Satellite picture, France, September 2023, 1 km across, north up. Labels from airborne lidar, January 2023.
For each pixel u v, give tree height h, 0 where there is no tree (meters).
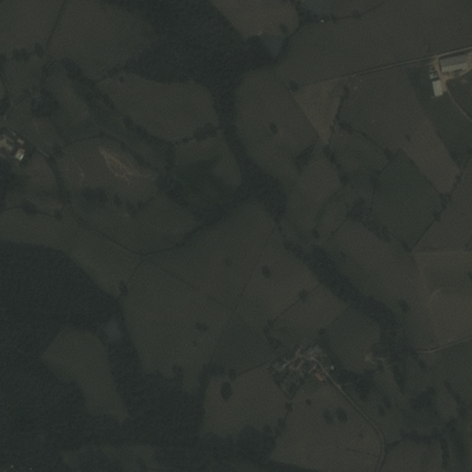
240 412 0
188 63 21
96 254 0
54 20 0
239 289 0
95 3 0
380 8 0
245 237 0
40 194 0
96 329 18
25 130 0
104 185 0
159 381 10
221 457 14
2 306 17
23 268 20
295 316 0
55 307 15
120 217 0
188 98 0
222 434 0
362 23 0
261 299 0
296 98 0
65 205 0
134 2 6
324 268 20
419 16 0
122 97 0
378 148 0
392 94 0
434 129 0
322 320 0
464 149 0
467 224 0
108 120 0
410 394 0
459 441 0
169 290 0
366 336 0
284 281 0
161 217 0
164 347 0
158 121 0
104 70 0
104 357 0
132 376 9
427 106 0
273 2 0
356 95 0
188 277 0
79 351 0
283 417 0
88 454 0
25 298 15
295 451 0
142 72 13
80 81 8
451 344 0
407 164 0
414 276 0
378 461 0
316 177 0
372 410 0
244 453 17
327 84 0
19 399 12
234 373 14
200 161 0
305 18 11
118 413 0
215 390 0
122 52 0
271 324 12
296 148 0
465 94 0
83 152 0
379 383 0
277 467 16
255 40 13
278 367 0
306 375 6
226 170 0
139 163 17
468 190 0
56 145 0
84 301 14
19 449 7
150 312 0
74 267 11
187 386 0
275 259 0
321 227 0
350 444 0
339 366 0
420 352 0
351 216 12
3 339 13
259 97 0
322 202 0
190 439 13
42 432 6
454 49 0
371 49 0
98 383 0
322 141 0
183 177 0
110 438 21
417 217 0
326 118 0
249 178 21
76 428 15
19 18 0
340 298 13
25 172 0
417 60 0
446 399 0
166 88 0
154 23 18
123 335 12
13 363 17
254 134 0
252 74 0
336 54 0
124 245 0
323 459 0
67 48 0
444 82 0
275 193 11
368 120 0
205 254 0
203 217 12
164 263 0
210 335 0
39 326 14
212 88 9
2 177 9
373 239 0
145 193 0
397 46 0
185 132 0
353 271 0
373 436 0
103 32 0
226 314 0
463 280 0
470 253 0
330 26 0
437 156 0
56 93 0
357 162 0
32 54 0
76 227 0
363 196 0
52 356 0
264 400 0
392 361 14
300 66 0
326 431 0
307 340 0
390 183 0
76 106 0
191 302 0
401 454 0
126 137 0
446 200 12
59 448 18
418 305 0
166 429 8
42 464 16
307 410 0
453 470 0
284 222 0
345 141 0
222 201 0
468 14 0
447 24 0
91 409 0
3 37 0
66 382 0
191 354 0
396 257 0
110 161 0
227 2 0
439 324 0
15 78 0
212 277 0
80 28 0
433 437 7
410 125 0
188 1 7
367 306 22
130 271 0
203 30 6
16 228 0
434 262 0
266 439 17
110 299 13
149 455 0
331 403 0
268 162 0
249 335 0
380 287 0
